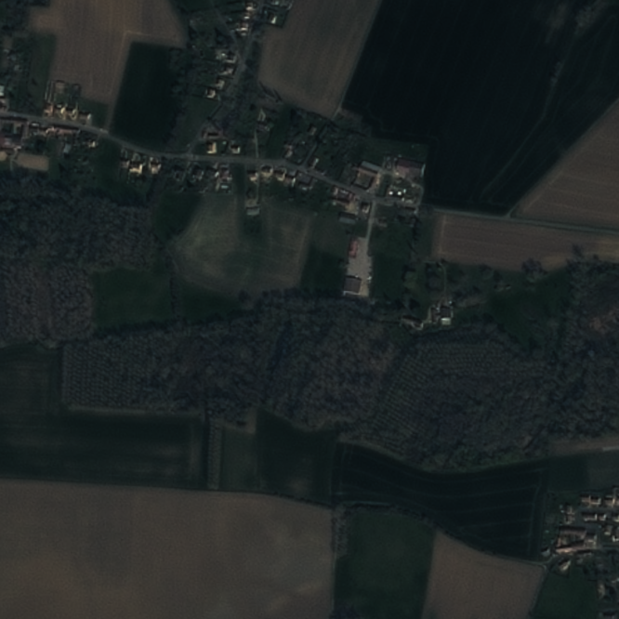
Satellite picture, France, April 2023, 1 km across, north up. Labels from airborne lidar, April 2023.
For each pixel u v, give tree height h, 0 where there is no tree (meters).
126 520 0
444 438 25
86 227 23
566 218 0
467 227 0
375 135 0
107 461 0
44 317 0
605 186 0
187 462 0
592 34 0
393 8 0
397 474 0
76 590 0
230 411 27
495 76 0
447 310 0
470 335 6
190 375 7
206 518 0
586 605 0
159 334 22
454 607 0
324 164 0
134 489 0
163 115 0
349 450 0
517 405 11
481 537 0
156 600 0
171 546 0
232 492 0
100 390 31
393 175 0
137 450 0
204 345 7
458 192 0
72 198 26
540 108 0
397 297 0
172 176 13
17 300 27
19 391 0
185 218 0
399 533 0
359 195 0
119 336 14
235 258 0
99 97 0
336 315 24
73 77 0
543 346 0
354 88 0
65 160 8
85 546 0
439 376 22
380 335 35
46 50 0
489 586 0
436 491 0
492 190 0
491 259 0
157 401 30
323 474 0
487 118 0
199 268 0
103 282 0
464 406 14
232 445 0
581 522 0
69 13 0
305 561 0
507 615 0
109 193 0
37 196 39
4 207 29
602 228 0
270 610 0
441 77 0
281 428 0
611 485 0
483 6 0
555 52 0
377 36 0
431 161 0
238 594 0
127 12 0
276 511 0
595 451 0
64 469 0
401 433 25
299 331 21
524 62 0
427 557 0
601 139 0
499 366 25
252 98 12
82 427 0
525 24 0
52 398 0
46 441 0
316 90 0
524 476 0
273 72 0
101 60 0
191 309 0
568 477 0
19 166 0
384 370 37
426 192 0
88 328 26
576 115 0
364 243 0
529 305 0
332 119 0
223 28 0
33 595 0
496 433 18
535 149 0
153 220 33
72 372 28
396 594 0
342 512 24
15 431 0
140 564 0
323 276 0
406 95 0
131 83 0
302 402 20
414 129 0
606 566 0
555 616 0
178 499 0
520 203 0
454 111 0
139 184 9
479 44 0
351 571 0
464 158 0
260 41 27
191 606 0
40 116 0
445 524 0
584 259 30
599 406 38
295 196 9
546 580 0
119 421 0
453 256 0
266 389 11
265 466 0
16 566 0
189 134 0
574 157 0
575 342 8
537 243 0
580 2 0
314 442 0
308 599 0
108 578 0
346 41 0
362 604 0
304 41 0
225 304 0
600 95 0
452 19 0
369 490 0
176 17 0
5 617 0
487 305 0
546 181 0
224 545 0
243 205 0
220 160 0
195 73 13
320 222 0
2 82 8
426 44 0
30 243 34
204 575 0
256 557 0
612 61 0
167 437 0
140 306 0
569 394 6
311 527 0
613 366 40
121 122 0
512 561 0
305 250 0
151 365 26
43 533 0
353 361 34
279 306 11
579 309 6
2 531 0
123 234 22
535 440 8
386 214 0
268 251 0
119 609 0
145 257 37
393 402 27
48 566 0
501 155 0
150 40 0
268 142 16
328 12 0
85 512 0
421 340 14
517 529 0
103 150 0
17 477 0
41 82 0
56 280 23
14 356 0
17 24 7
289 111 0
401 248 0
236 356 28
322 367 36
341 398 39
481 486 0
